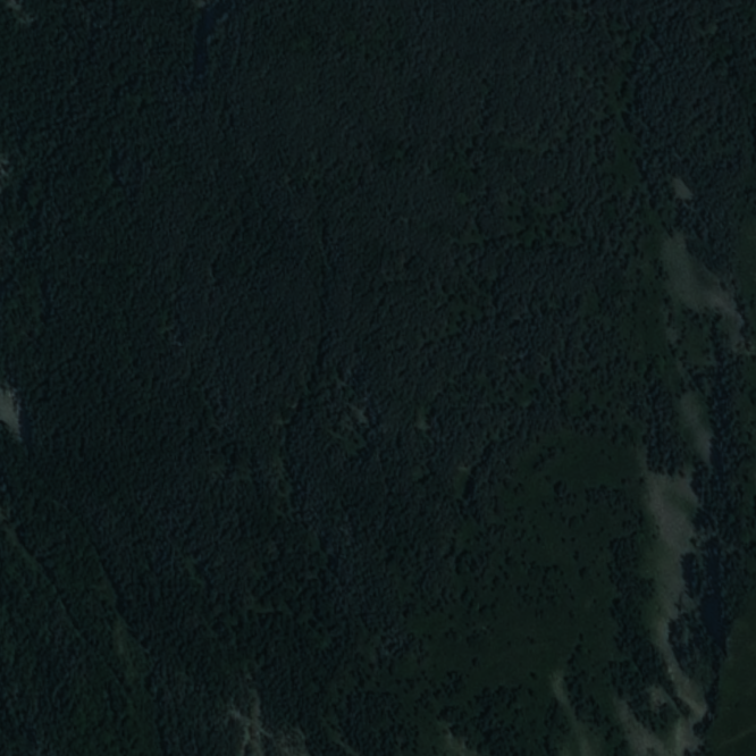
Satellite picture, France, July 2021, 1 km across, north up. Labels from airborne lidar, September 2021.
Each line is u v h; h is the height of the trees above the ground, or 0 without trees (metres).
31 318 20
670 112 23
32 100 14
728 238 15
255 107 20
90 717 14
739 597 10
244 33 15
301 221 9
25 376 16
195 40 19
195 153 17
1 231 11
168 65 8
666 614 0
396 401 20
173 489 22
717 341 10
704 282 0
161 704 17
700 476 12
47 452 22
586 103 18
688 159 11
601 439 0
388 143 24
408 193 18
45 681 14
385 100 21
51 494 17
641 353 0
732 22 14
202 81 7
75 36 26
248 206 20
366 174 22
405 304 18
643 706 12
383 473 22
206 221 21
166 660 18
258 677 14
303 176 14
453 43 23
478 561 13
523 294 18
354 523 16
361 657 10
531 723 7
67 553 20
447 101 16
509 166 17
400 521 18
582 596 0
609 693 0
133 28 18
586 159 21
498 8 18
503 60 21
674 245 0
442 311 17
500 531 12
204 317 20
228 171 17
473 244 12
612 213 18
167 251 18
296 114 13
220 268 25
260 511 24
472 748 9
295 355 25
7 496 18
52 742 13
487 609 12
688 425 0
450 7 18
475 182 17
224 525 19
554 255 17
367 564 13
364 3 20
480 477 18
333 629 16
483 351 18
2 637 10
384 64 22
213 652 17
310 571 15
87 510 21
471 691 0
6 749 17
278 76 21
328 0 21
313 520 15
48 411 19
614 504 7
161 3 23
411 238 19
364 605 9
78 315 22
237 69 16
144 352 20
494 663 0
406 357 23
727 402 17
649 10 20
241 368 17
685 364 7
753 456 10
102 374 22
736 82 16
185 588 24
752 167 11
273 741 14
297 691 19
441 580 13
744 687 0
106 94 24
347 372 17
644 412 20
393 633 10
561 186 19
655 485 0
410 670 0
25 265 10
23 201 19
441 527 19
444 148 17
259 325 20
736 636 0
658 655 13
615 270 22
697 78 20
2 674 12
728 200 12
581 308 15
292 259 16
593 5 20
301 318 19
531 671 0
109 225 17
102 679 16
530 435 14
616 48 18
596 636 0
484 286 20
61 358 27
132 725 20
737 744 0
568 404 18
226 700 9
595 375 9
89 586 16
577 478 0
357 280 20
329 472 16
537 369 21
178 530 20
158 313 17
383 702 11
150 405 24
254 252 22
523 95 20
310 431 17
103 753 12
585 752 0
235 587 16
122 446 26
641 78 14
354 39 20
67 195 22
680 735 0
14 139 9
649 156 15
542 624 0
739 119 14
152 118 20
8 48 16
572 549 0
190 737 16
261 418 18
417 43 16
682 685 0
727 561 6
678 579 0
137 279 20
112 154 12
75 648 16
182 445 15
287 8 21
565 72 24
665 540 0
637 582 9
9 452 18
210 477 16
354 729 14
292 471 24
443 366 16
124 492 19
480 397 14
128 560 22
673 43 16
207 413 23
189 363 21
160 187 20
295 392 20
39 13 13
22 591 19
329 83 19
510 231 15
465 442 12
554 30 19
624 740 8
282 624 20
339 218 14
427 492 16
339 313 22
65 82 19
